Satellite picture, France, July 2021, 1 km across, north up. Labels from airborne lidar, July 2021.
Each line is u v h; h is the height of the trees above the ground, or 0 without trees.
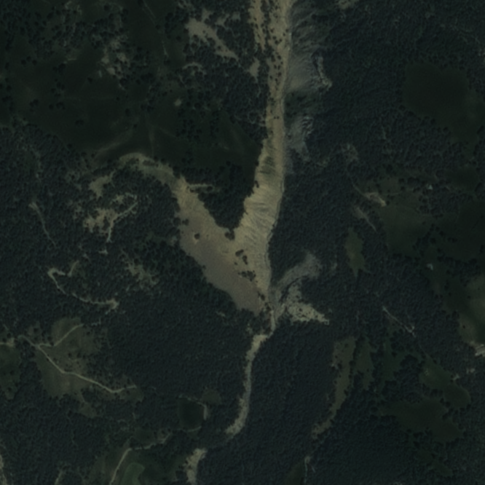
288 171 0
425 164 13
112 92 0
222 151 0
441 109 0
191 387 13
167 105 0
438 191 15
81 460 10
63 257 9
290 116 8
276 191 0
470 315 0
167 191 11
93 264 8
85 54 0
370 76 15
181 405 0
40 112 0
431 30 14
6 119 0
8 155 11
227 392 14
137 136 0
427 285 24
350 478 18
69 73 0
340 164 13
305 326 8
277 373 14
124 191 9
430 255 0
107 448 8
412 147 19
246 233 0
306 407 16
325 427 0
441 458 15
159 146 0
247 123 16
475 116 0
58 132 0
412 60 16
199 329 14
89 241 13
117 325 6
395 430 20
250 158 0
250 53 6
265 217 0
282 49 0
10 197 17
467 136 0
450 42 16
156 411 14
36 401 9
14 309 8
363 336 15
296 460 10
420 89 0
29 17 17
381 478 14
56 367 0
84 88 0
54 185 16
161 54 0
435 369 0
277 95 0
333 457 25
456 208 13
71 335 0
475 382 10
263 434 14
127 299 8
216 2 12
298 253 6
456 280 0
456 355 10
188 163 12
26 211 6
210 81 16
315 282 10
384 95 13
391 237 0
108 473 0
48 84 0
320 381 14
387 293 15
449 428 0
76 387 0
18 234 13
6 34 14
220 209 8
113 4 0
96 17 0
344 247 13
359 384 22
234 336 10
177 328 15
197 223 0
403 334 15
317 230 7
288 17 0
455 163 13
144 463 0
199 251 0
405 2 8
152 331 13
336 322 10
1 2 18
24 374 12
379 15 10
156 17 0
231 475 11
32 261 18
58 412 17
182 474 11
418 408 0
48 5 0
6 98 17
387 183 0
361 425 19
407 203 0
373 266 13
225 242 0
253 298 0
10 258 14
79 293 10
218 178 12
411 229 0
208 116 0
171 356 13
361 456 24
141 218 10
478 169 12
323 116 6
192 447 8
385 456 18
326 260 7
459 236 0
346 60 13
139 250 20
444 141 13
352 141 9
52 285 11
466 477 17
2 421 11
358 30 17
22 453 14
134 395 0
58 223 14
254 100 10
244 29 8
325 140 12
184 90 0
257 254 0
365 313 14
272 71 0
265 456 14
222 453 13
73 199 7
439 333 12
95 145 0
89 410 0
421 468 20
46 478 14
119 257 7
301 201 11
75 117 0
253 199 0
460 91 0
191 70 8
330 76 10
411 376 12
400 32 15
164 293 8
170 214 8
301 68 0
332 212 11
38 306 12
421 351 10
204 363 11
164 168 0
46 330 8
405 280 17
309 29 0
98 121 0
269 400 12
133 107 0
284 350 14
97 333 8
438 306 12
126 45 10
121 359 13
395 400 19
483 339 0
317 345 16
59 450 8
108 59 0
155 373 16
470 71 12
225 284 0
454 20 10
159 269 16
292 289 0
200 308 12
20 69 0
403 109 13
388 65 12
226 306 13
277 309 0
